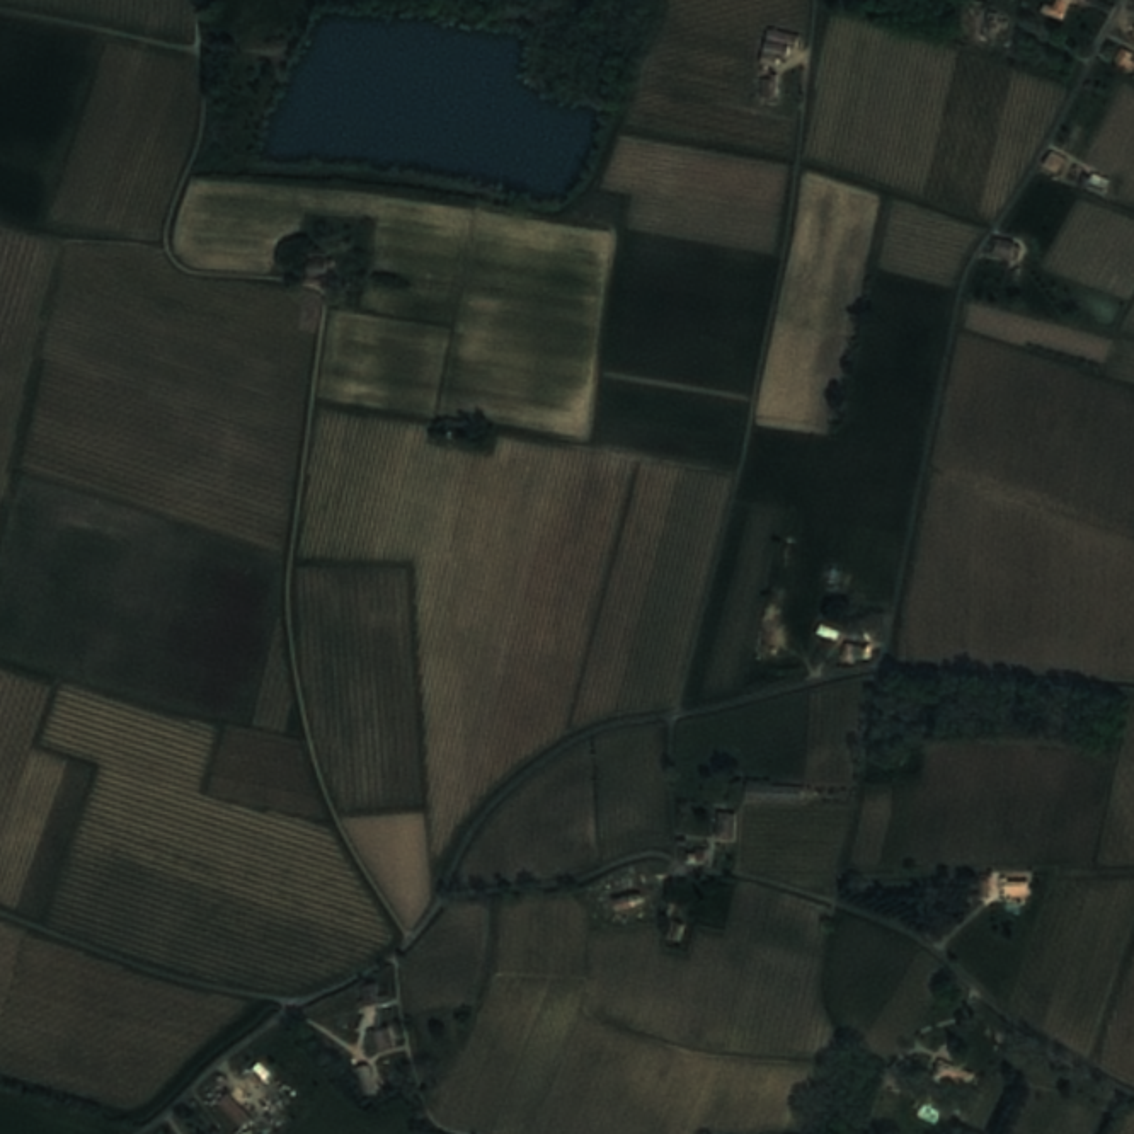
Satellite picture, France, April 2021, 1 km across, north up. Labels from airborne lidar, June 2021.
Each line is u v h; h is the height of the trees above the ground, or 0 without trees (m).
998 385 0
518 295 0
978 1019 19
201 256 0
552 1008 0
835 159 0
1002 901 0
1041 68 6
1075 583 0
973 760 0
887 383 0
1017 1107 18
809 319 0
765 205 0
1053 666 0
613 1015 0
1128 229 0
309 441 0
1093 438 0
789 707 0
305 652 0
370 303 0
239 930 0
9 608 0
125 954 0
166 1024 0
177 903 0
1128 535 0
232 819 0
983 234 0
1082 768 0
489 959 0
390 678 0
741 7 0
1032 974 0
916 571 0
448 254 0
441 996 0
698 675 0
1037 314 0
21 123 0
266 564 0
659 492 0
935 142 0
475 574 0
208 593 0
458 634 0
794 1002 0
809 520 0
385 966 11
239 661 0
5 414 0
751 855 0
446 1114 0
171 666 0
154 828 0
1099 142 0
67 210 0
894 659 0
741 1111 0
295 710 0
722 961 0
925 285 0
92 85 0
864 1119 13
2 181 0
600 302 0
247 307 0
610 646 0
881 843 0
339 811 0
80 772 0
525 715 0
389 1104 7
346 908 0
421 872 0
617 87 20
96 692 0
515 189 17
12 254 0
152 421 0
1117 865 0
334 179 8
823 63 0
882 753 16
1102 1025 0
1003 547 0
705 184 0
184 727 0
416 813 0
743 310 0
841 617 9
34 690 0
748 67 0
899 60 0
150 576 0
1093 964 0
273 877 0
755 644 0
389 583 0
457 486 0
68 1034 0
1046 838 0
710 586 0
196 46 0
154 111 0
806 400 0
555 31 10
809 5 0
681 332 0
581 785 0
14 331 0
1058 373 0
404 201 0
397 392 0
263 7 0
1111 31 0
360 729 0
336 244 13
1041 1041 16
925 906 10
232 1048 0
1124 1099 7
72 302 0
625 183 0
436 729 0
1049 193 0
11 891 0
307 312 0
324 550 0
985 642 0
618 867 0
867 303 5
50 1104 11
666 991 0
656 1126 0
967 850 0
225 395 0
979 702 25
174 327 0
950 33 19
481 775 0
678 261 0
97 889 0
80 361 0
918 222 0
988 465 0
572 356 0
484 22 13
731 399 0
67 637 0
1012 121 0
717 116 0
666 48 0
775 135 0
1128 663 0
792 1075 0
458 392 0
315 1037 9
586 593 0
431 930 0
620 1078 0
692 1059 0
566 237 0
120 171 0
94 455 0
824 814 0
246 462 0
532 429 0
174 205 0
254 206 0
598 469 0
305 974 0
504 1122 0
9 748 0
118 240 0
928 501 0
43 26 0
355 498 0
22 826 0
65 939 0
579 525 0
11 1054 0
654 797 0
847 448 0
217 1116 0
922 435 0
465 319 0
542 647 0
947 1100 18
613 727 0
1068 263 0
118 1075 0
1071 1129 0
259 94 12
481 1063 0
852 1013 0
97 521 0
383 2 18
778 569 0
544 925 0
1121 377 0
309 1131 0
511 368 0
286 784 0
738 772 9
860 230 0
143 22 0
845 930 0
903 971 0
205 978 0
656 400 0
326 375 0
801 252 0
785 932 0
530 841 0
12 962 0
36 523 0
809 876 0
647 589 0
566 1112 0
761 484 0
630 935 0
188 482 0
